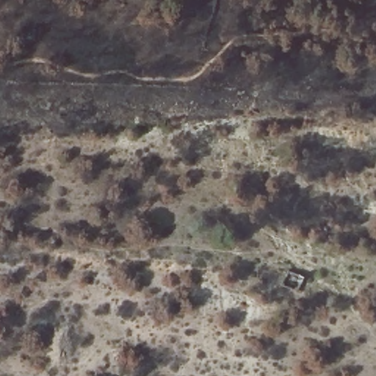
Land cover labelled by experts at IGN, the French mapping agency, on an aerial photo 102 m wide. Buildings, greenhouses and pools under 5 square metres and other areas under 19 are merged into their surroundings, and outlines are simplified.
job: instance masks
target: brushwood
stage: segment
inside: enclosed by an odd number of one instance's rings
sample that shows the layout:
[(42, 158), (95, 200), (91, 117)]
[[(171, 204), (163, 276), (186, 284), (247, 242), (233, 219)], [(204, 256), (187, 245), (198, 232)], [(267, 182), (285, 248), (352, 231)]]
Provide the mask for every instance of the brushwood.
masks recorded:
[(54, 332), (62, 326), (69, 328), (70, 354), (75, 354), (78, 348), (90, 347), (93, 344), (93, 333), (84, 330), (84, 323), (81, 320), (84, 316), (82, 305), (72, 304), (66, 307), (59, 301), (50, 301), (32, 314), (28, 311), (25, 313), (26, 322), (31, 323), (29, 329), (38, 333), (37, 345), (40, 345), (41, 350), (48, 351), (51, 350)]
[(225, 323), (234, 328), (244, 322), (247, 313), (239, 311), (238, 308), (229, 308), (226, 310)]

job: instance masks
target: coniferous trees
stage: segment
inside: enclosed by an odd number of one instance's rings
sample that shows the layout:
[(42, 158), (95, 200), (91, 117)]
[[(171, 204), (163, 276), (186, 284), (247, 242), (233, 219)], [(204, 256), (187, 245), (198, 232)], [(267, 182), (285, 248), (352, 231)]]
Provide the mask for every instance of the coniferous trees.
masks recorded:
[(369, 68), (376, 66), (376, 0), (0, 0), (0, 75), (6, 75), (6, 70), (10, 73), (25, 68), (25, 63), (31, 57), (43, 57), (65, 68), (78, 69), (82, 72), (98, 73), (104, 70), (126, 69), (140, 76), (185, 76), (197, 72), (207, 59), (213, 57), (229, 40), (234, 44), (222, 56), (222, 73), (238, 73), (247, 68), (248, 72), (253, 73), (254, 79), (267, 79), (272, 87), (275, 85), (286, 88), (292, 82), (300, 82), (308, 72), (316, 69), (316, 54), (320, 54), (322, 59), (336, 57), (336, 68), (345, 73), (355, 73), (355, 69), (364, 65), (369, 65)]
[(275, 178), (267, 172), (257, 170), (245, 175), (235, 175), (235, 182), (238, 185), (236, 191), (241, 198), (239, 213), (232, 213), (226, 206), (222, 209), (206, 210), (203, 213), (203, 225), (198, 226), (198, 231), (203, 234), (203, 244), (210, 244), (214, 248), (253, 250), (260, 245), (253, 235), (261, 228), (270, 228), (276, 234), (279, 226), (285, 226), (300, 229), (305, 239), (308, 238), (310, 231), (316, 232), (316, 241), (320, 244), (326, 242), (329, 245), (336, 245), (339, 242), (345, 251), (354, 250), (355, 247), (366, 248), (367, 253), (376, 256), (376, 214), (364, 213), (361, 206), (352, 203), (350, 197), (330, 195), (329, 192), (311, 197), (314, 189), (301, 188), (295, 182), (297, 178), (292, 173), (283, 172)]
[(308, 347), (303, 351), (303, 361), (300, 364), (304, 376), (319, 376), (323, 373), (323, 366), (316, 361), (314, 355), (319, 351)]
[(134, 164), (128, 160), (112, 162), (104, 151), (90, 156), (82, 154), (78, 147), (75, 147), (70, 148), (66, 156), (66, 162), (75, 169), (73, 172), (82, 176), (84, 184), (91, 184), (98, 179), (106, 188), (103, 191), (103, 200), (97, 204), (101, 225), (90, 225), (87, 220), (60, 223), (57, 235), (62, 238), (62, 248), (78, 251), (79, 254), (90, 253), (97, 260), (106, 260), (109, 264), (107, 275), (113, 279), (117, 288), (129, 295), (137, 294), (135, 281), (126, 276), (126, 266), (131, 261), (147, 261), (148, 266), (151, 266), (156, 258), (172, 257), (170, 247), (157, 248), (162, 239), (175, 231), (175, 214), (167, 210), (167, 207), (175, 200), (181, 200), (182, 194), (191, 194), (192, 187), (204, 178), (204, 170), (181, 172), (179, 166), (172, 166), (172, 157), (160, 157), (159, 154), (144, 157)]
[(31, 236), (19, 235), (15, 242), (12, 242), (4, 236), (7, 231), (13, 229), (7, 214), (13, 207), (21, 204), (21, 200), (18, 200), (19, 173), (16, 172), (15, 164), (10, 162), (10, 156), (1, 159), (4, 147), (0, 147), (0, 263), (13, 266), (19, 261), (25, 261), (23, 267), (26, 272), (31, 273), (38, 267), (38, 264), (31, 261), (31, 257), (34, 256), (32, 251), (40, 244)]
[(0, 301), (0, 360), (16, 355), (22, 361), (28, 361), (29, 366), (34, 369), (44, 370), (50, 363), (48, 351), (41, 350), (40, 345), (37, 345), (38, 333), (29, 329), (31, 323), (26, 322), (25, 313), (21, 305), (13, 301)]
[(357, 304), (352, 307), (360, 313), (363, 320), (376, 323), (376, 283), (369, 283), (366, 288), (361, 289), (360, 294), (354, 297)]

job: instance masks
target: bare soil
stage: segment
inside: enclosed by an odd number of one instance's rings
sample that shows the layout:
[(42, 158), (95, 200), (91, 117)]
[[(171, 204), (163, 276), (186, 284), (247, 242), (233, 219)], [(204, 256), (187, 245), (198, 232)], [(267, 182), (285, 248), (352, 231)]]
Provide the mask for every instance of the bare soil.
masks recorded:
[[(203, 234), (198, 231), (198, 226), (203, 225), (203, 213), (206, 210), (222, 209), (226, 206), (232, 213), (239, 213), (241, 198), (236, 191), (238, 185), (235, 182), (235, 175), (245, 175), (257, 170), (267, 172), (275, 178), (283, 172), (292, 173), (297, 178), (295, 182), (301, 188), (314, 189), (311, 197), (329, 192), (330, 195), (350, 197), (352, 203), (361, 206), (364, 213), (376, 214), (376, 66), (369, 68), (369, 65), (364, 65), (355, 69), (355, 73), (345, 73), (336, 68), (336, 57), (322, 59), (320, 54), (316, 54), (316, 69), (308, 72), (300, 82), (292, 82), (286, 88), (275, 85), (272, 87), (267, 79), (254, 79), (253, 73), (248, 72), (247, 68), (238, 73), (222, 73), (222, 56), (234, 44), (229, 40), (213, 57), (207, 59), (197, 72), (185, 76), (140, 76), (126, 69), (104, 70), (98, 73), (82, 72), (78, 69), (65, 68), (43, 57), (31, 57), (25, 63), (25, 68), (10, 73), (6, 70), (6, 75), (0, 75), (0, 147), (4, 147), (1, 159), (10, 156), (10, 162), (15, 164), (16, 172), (19, 173), (18, 200), (21, 200), (21, 204), (13, 207), (7, 214), (13, 229), (7, 231), (4, 236), (12, 242), (15, 242), (19, 235), (31, 236), (40, 244), (32, 251), (34, 256), (31, 257), (31, 261), (38, 264), (38, 267), (31, 273), (26, 272), (23, 267), (25, 261), (19, 261), (13, 266), (0, 263), (0, 301), (13, 301), (21, 305), (25, 313), (28, 311), (32, 314), (50, 301), (59, 301), (66, 307), (72, 304), (82, 305), (84, 316), (81, 320), (84, 323), (84, 330), (93, 333), (93, 344), (90, 347), (78, 348), (75, 354), (70, 354), (69, 328), (62, 326), (54, 332), (51, 350), (48, 351), (50, 363), (44, 370), (34, 369), (29, 366), (28, 361), (22, 361), (16, 355), (0, 360), (0, 376), (304, 376), (300, 364), (303, 361), (303, 351), (308, 347), (319, 351), (314, 355), (316, 361), (323, 366), (323, 373), (319, 376), (376, 376), (376, 323), (363, 320), (360, 313), (352, 307), (357, 304), (354, 297), (360, 294), (361, 289), (366, 288), (369, 283), (376, 283), (376, 256), (367, 253), (366, 248), (355, 247), (354, 250), (345, 251), (339, 242), (336, 245), (329, 245), (326, 242), (320, 244), (316, 241), (316, 232), (310, 231), (308, 238), (305, 239), (300, 229), (285, 226), (279, 226), (276, 234), (270, 228), (261, 228), (253, 235), (260, 245), (253, 250), (214, 248), (210, 244), (203, 244)], [(106, 188), (98, 179), (91, 184), (84, 184), (82, 176), (73, 172), (75, 169), (66, 162), (66, 156), (70, 148), (75, 147), (78, 147), (82, 154), (90, 156), (104, 151), (112, 162), (128, 160), (134, 164), (144, 157), (159, 154), (160, 157), (172, 157), (172, 166), (179, 166), (181, 172), (204, 170), (204, 178), (192, 187), (191, 194), (182, 194), (181, 200), (175, 200), (167, 207), (167, 210), (175, 214), (175, 231), (162, 239), (157, 248), (170, 247), (172, 257), (156, 258), (151, 266), (148, 266), (147, 261), (131, 261), (126, 266), (126, 276), (135, 281), (137, 294), (129, 295), (117, 288), (113, 279), (107, 275), (109, 264), (106, 260), (97, 260), (90, 253), (79, 254), (78, 251), (62, 248), (62, 238), (57, 235), (60, 223), (87, 220), (90, 225), (101, 225), (97, 204), (103, 200), (103, 191)], [(234, 328), (225, 323), (226, 310), (229, 308), (238, 308), (239, 311), (247, 313), (244, 322)]]

